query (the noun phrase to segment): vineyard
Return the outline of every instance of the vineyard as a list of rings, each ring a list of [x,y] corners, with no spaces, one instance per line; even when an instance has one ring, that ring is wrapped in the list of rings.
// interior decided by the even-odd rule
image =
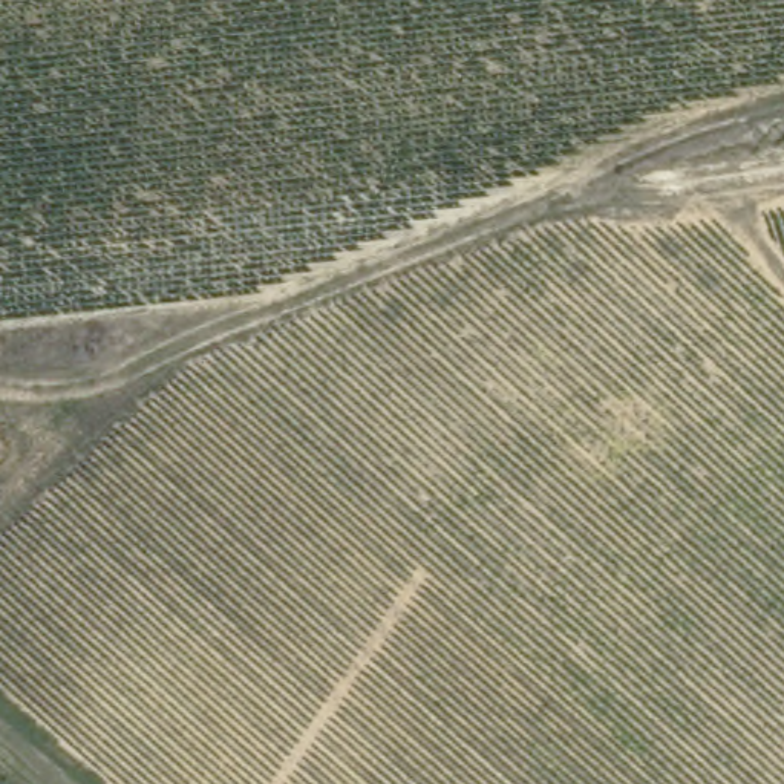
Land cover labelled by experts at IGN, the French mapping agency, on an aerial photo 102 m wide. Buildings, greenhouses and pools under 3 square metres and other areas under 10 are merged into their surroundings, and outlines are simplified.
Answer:
[[[196,374],[184,368],[162,392],[153,392],[150,398],[138,401],[138,410],[147,410],[147,420],[135,432],[129,432],[116,444],[116,450],[110,450],[89,475],[67,478],[61,487],[46,490],[31,505],[31,515],[37,521],[21,536],[15,536],[6,545],[6,551],[0,551],[0,692],[12,707],[34,720],[34,726],[43,729],[70,760],[98,775],[104,784],[784,784],[784,306],[778,291],[760,276],[760,270],[753,270],[747,251],[735,239],[729,239],[729,233],[720,233],[711,224],[686,224],[671,236],[643,233],[637,239],[631,233],[619,233],[609,227],[591,227],[594,242],[585,245],[585,254],[579,254],[576,245],[564,248],[573,260],[591,266],[576,288],[567,279],[551,279],[542,297],[530,294],[524,303],[515,303],[505,288],[496,288],[484,294],[481,303],[472,309],[456,303],[447,309],[423,306],[417,312],[417,325],[404,325],[398,319],[398,334],[386,331],[386,319],[371,322],[371,328],[361,331],[352,309],[340,309],[337,303],[312,306],[309,300],[303,322],[297,322],[297,331],[276,334],[263,340],[263,346],[233,343],[227,349],[227,358],[214,361],[208,371]]]
[[[77,322],[144,322],[147,315],[187,315],[202,309],[257,309],[273,300],[285,300],[297,291],[315,288],[340,273],[349,273],[358,263],[383,260],[398,245],[417,245],[429,236],[429,230],[493,214],[502,205],[530,202],[545,193],[573,196],[591,178],[613,172],[613,159],[640,141],[677,132],[680,126],[707,113],[784,95],[784,0],[0,0],[0,334]]]

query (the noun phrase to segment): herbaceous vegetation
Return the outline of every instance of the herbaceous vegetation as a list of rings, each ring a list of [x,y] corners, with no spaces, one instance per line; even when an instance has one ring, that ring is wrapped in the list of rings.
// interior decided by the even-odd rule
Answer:
[[[472,309],[481,303],[484,294],[496,288],[505,288],[515,303],[524,303],[530,294],[542,297],[551,279],[567,279],[576,288],[591,266],[573,260],[564,248],[576,245],[579,254],[585,254],[585,245],[594,242],[591,227],[609,227],[619,233],[631,233],[637,239],[643,233],[671,236],[686,224],[711,224],[720,233],[729,233],[729,239],[735,239],[747,251],[753,270],[760,270],[760,276],[778,291],[784,306],[784,95],[707,113],[680,126],[677,132],[640,141],[613,159],[613,172],[591,178],[573,196],[545,193],[530,202],[502,205],[493,214],[429,230],[429,236],[417,245],[398,245],[383,260],[358,263],[349,273],[340,273],[315,288],[297,291],[285,300],[273,300],[257,309],[202,309],[187,315],[147,315],[144,322],[77,322],[0,334],[0,551],[6,551],[6,545],[15,536],[21,536],[37,521],[31,515],[31,505],[46,490],[61,487],[67,478],[89,475],[110,450],[116,450],[116,444],[129,432],[135,432],[147,420],[147,410],[138,410],[138,401],[150,398],[153,392],[162,392],[184,368],[196,374],[208,371],[214,361],[227,358],[227,349],[233,343],[263,346],[263,340],[276,334],[297,331],[297,322],[303,322],[309,300],[312,306],[337,303],[340,309],[352,309],[361,331],[371,328],[371,322],[386,319],[386,331],[398,334],[398,319],[404,325],[417,325],[417,312],[423,306],[447,309],[456,303]]]
[[[0,784],[104,784],[98,775],[70,760],[43,729],[34,726],[34,720],[12,707],[0,692]]]

